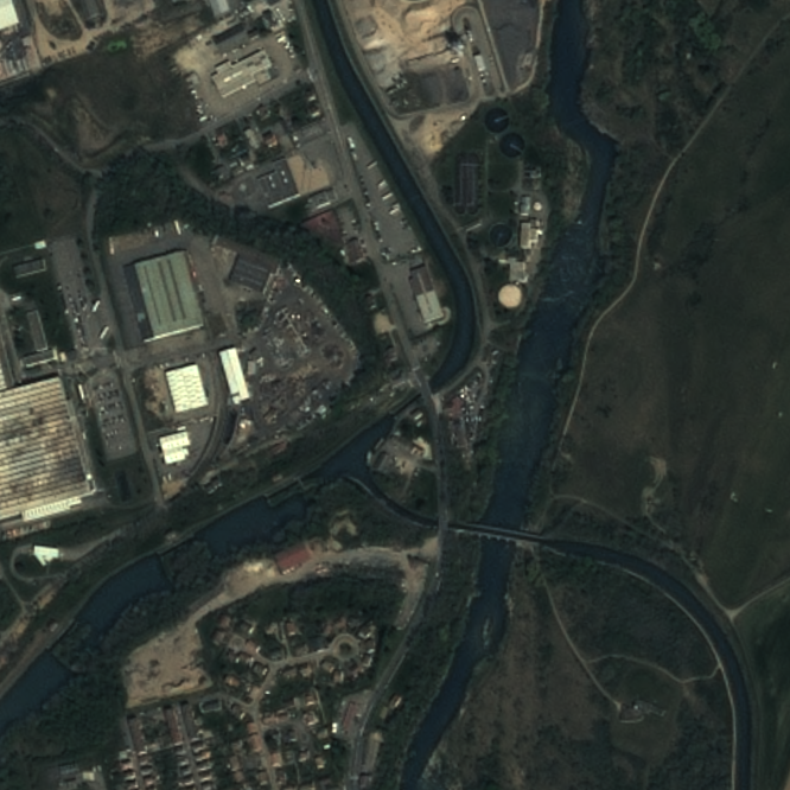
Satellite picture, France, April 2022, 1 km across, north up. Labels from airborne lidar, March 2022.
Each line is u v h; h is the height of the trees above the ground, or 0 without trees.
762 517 0
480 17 0
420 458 0
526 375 0
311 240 18
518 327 9
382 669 0
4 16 0
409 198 0
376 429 0
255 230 18
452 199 7
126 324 0
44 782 0
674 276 0
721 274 0
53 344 0
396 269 0
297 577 0
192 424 0
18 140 0
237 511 0
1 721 0
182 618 7
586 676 0
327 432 13
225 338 0
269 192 0
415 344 0
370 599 15
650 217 0
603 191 0
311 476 0
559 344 0
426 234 0
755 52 0
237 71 0
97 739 8
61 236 0
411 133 0
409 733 19
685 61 13
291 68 0
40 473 0
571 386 17
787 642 0
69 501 0
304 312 0
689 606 0
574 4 0
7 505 0
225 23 0
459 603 19
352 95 0
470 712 0
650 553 13
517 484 0
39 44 0
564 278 0
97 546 0
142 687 0
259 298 0
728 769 12
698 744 13
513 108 0
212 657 0
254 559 6
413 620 0
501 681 0
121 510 0
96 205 0
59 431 0
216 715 0
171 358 0
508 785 0
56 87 0
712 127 0
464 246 0
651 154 0
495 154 0
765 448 0
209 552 10
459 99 0
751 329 0
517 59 0
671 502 0
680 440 0
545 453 9
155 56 0
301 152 0
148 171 8
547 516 0
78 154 0
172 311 0
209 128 0
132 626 20
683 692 0
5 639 0
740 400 0
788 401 0
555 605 0
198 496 15
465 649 0
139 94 0
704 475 0
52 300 0
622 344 0
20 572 9
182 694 0
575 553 0
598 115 0
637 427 0
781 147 0
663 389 0
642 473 0
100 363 0
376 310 0
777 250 0
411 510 0
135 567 0
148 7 0
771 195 0
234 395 0
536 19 0
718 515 0
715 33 7
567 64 0
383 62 0
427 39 0
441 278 0
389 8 0
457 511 18
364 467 0
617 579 8
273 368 0
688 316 0
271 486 0
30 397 0
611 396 0
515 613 0
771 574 0
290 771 0
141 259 0
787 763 0
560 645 0
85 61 0
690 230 0
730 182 0
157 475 0
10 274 0
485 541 0
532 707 0
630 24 9
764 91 0
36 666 0
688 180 0
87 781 0
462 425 0
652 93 0
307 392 0
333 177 0
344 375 0
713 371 0
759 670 0
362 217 0
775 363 0
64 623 0
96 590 0
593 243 0
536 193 0
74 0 0
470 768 0
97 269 0
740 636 0
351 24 0
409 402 0
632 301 0
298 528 22
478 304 0
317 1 0
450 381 0
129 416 0
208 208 18
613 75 0
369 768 0
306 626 6
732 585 0
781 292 0
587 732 0
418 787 0
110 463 0
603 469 0
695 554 0
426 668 17
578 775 9
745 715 0
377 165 0
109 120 0
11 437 0
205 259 0
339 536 0
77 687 15
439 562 0
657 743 0
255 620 0
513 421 0
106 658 19
